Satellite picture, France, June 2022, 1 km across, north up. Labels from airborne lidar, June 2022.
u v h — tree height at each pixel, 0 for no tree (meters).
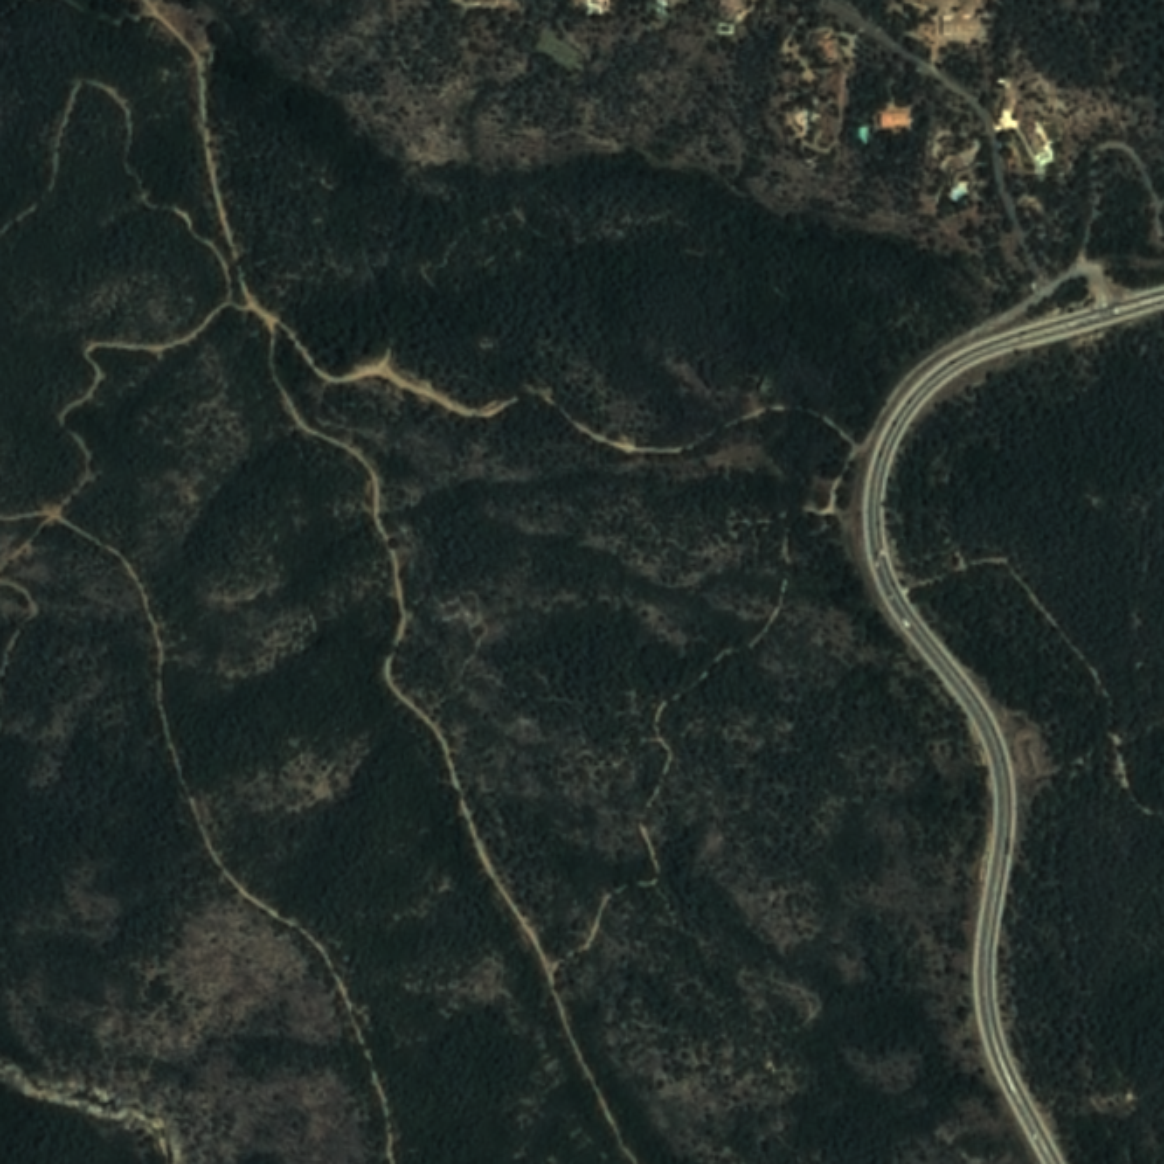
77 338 6
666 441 7
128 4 17
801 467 10
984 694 0
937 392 0
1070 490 13
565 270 19
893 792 9
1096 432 13
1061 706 9
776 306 10
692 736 7
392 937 7
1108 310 0
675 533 10
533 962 5
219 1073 0
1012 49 17
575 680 14
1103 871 12
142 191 9
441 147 0
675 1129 0
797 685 10
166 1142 0
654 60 11
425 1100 7
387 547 7
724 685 13
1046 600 14
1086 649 14
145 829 6
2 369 6
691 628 7
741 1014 6
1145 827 13
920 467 10
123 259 15
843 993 12
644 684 7
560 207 7
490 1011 8
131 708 6
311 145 10
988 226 8
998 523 14
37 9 6
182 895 8
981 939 0
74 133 6
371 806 7
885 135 13
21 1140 10
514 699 7
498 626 0
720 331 13
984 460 12
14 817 7
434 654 10
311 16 8
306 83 7
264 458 6
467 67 6
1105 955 13
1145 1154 9
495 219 6
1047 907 12
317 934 9
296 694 8
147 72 7
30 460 8
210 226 7
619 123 12
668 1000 8
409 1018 7
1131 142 6
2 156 7
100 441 6
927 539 9
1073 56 18
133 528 7
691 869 14
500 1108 5
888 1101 9
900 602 0
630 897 6
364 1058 7
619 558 6
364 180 8
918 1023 7
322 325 10
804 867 13
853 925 6
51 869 7
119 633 7
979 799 11
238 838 7
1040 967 12
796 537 7
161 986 9
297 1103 0
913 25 9
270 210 7
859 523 0
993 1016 0
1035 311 6
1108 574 15
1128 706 14
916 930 7
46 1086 0
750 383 12
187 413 10
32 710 6
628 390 6
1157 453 16
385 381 7
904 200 10
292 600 6
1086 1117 9
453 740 7
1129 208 7
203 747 8
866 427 11
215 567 13
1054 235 15
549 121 12
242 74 14
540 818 10
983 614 6
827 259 13
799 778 11
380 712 9
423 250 17
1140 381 10
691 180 6
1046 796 7
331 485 7
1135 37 8
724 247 11
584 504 8
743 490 6
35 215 5
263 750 12
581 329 17
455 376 11
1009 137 14
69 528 6
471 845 6
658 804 11
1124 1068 8
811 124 7
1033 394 11
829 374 9
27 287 8
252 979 0
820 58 7
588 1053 7
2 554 0
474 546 14
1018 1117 0
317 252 8
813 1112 9
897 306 9
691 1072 8
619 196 16
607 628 15
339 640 9
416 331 16
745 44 13
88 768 6
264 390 7
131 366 7
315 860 9
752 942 6
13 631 6
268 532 7
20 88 6
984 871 0
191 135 8
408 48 8
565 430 7
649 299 15
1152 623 12
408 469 8
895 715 8
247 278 9
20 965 10
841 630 6
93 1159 13
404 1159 7
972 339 0
